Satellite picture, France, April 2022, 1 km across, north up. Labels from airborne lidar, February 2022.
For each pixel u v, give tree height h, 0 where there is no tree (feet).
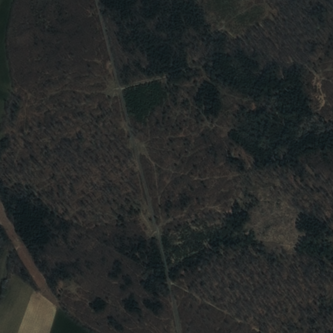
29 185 103
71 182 110
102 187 0
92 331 35
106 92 0
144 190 22
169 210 39
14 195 56
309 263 80
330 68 0
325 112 17
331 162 20
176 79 87
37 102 33
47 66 24
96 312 53
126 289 35
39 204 97
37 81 29
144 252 52
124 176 98
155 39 66
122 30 77
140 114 26
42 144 104
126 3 57
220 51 83
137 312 63
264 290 79
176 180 31
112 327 27
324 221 63
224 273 68
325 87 21
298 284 96
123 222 43
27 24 29
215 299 41
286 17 99
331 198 100
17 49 29
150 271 34
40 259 59
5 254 0
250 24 0
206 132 22
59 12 27
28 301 0
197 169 31
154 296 40
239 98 0
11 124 92
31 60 27
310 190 94
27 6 31
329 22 48
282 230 0
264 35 94
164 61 79
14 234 0
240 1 0
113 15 57
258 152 48
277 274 105
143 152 0
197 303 90
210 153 41
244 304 96
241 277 90
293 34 92
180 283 25
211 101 64
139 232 29
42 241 71
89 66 27
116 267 46
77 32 31
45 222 57
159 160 19
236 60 57
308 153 61
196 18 85
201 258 42
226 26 0
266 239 0
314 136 68
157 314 56
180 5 60
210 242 22
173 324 0
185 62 66
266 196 0
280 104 64
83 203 42
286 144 82
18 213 52
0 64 0
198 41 61
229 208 90
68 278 56
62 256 58
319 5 32
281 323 91
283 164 100
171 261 32
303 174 62
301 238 0
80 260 52
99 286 24
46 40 21
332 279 85
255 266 91
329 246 87
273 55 101
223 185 21
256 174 88
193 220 90
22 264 79
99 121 38
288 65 89
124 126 0
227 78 54
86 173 103
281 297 86
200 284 94
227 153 35
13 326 0
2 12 0
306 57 101
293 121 22
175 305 0
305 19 22
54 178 29
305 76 86
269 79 94
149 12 76
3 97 0
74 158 103
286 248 0
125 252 40
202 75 19
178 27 80
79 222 97
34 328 0
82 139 93
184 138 24
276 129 19
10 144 86
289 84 73
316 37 99
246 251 84
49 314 0
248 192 26
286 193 90
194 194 26
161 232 0
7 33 29
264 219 0
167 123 20
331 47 36
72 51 30
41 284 0
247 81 69
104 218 26
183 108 23
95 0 22
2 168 117
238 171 55
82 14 30
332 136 80
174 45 58
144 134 78
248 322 86
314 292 100
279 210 0
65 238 56
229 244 81
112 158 90
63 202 108
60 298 44
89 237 50
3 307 0
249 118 29
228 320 21
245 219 104
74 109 88
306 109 44
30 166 95
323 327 100
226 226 63
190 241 22
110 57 27
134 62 75
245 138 27
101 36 24
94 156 104
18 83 22
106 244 48
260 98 74
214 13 0
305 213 87
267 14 0
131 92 28
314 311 97
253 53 94
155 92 28
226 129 0
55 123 95
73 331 0
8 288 62
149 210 0
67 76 71
